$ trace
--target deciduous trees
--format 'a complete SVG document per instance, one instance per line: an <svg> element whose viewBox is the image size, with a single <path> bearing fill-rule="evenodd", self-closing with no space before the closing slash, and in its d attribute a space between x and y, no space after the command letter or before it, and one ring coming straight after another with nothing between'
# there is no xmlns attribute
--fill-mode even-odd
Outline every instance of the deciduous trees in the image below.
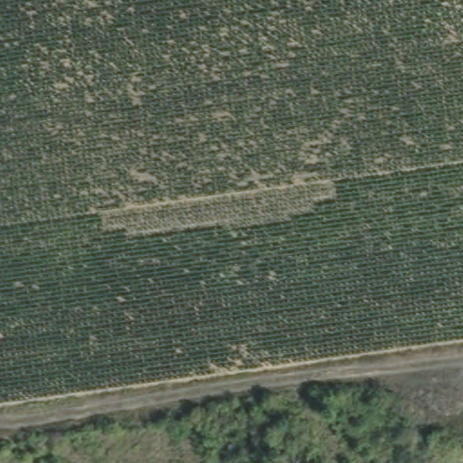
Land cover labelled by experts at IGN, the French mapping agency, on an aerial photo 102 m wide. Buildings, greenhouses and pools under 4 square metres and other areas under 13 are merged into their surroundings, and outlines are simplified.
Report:
<svg viewBox="0 0 463 463"><path fill-rule="evenodd" d="M188 439L192 443L195 456L199 456L199 463L463 463L463 412L458 416L449 416L449 420L441 425L430 423L416 427L400 414L402 398L398 392L392 391L380 378L364 378L327 382L311 380L300 383L300 387L286 385L271 389L255 385L250 391L224 392L217 396L204 396L201 400L183 400L177 409L163 407L114 411L109 414L94 414L85 420L56 421L49 425L22 427L16 430L0 429L0 463L63 463L69 450L101 456L103 450L107 449L114 439L125 438L128 430L146 429L152 423L165 430L170 445Z"/></svg>

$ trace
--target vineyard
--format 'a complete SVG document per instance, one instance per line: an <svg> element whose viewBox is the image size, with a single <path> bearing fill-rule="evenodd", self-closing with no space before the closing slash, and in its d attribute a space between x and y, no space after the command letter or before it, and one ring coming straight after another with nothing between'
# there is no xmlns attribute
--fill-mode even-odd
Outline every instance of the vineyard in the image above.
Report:
<svg viewBox="0 0 463 463"><path fill-rule="evenodd" d="M241 380L250 378L251 373L271 369L300 367L300 371L306 371L338 365L387 362L394 358L411 358L416 354L463 351L463 0L0 0L0 414L47 414L51 409L58 409L63 405L76 407L110 396L127 398L161 392L166 391L166 385L184 389L203 383Z"/></svg>

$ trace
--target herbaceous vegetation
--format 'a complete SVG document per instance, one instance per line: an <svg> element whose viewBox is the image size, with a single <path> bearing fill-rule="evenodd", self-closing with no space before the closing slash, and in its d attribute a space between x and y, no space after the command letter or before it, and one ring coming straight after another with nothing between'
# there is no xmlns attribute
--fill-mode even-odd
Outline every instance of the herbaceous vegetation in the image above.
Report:
<svg viewBox="0 0 463 463"><path fill-rule="evenodd" d="M458 416L463 412L463 351L416 354L411 358L394 358L387 362L338 365L306 371L300 371L300 367L271 369L251 373L250 378L241 380L203 383L184 389L166 385L166 391L161 392L127 398L110 396L76 407L63 405L58 409L51 409L47 414L0 414L0 429L16 430L22 427L49 425L56 421L85 420L94 414L109 414L114 411L163 407L177 409L183 400L201 400L204 396L217 396L224 392L250 391L255 385L271 389L286 385L300 387L300 383L311 380L327 382L364 378L380 378L392 391L398 392L402 398L400 414L416 427L430 423L441 425L449 420L449 416Z"/></svg>
<svg viewBox="0 0 463 463"><path fill-rule="evenodd" d="M188 439L170 445L165 430L152 423L146 429L128 430L125 438L114 439L107 449L103 450L101 456L69 450L63 463L199 463L199 456L195 456L192 443Z"/></svg>

